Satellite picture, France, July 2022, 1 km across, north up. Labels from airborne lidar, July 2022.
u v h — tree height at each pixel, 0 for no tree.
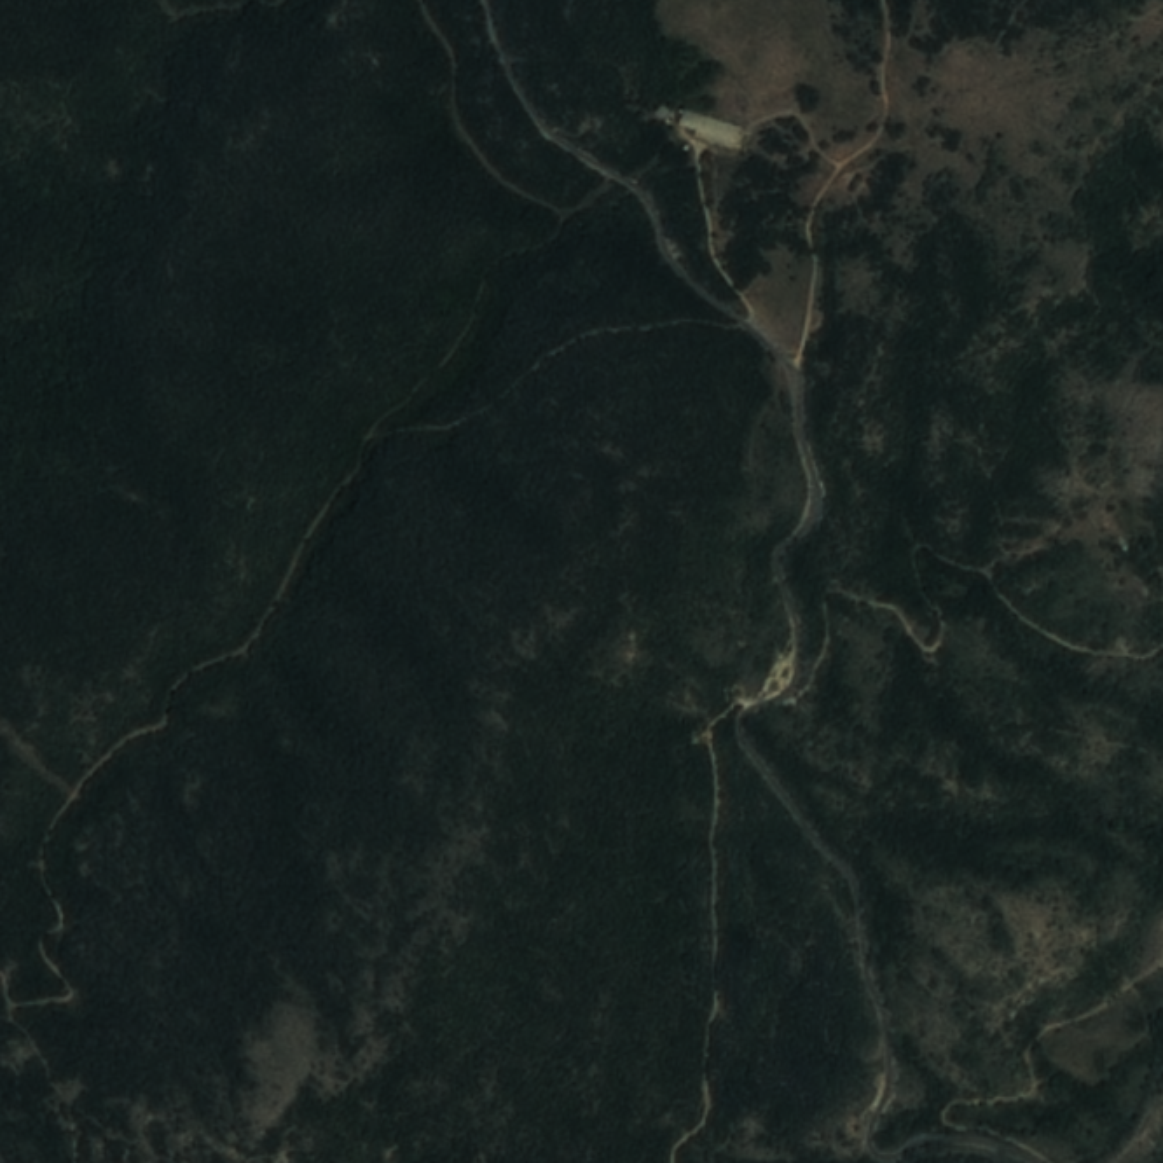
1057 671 8
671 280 9
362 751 6
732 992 7
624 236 8
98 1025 6
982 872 6
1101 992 6
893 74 0
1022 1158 0
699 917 7
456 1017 6
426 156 7
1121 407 0
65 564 6
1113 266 8
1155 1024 11
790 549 7
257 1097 0
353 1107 9
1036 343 6
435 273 7
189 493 8
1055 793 7
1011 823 7
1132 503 0
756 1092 9
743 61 0
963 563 6
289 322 7
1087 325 8
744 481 6
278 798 9
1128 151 15
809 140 7
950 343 5
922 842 6
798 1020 6
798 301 0
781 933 6
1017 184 6
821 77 0
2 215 9
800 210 7
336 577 7
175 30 7
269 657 7
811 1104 7
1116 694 7
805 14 0
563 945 7
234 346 7
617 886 6
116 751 7
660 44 9
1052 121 0
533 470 6
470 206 7
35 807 7
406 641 6
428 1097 6
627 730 6
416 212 7
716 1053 10
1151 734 8
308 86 6
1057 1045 0
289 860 6
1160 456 0
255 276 6
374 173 8
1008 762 7
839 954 6
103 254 6
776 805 6
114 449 6
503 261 7
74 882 6
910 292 5
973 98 0
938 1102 6
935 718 7
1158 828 12
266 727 6
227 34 6
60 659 6
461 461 7
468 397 6
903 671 7
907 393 6
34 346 9
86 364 7
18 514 5
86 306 9
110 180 6
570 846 6
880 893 6
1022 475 7
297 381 6
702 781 7
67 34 6
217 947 7
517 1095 6
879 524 6
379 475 7
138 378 5
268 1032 0
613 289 6
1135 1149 0
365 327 6
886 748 6
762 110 0
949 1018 0
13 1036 6
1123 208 6
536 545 6
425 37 7
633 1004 6
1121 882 0
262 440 6
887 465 6
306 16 7
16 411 9
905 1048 6
